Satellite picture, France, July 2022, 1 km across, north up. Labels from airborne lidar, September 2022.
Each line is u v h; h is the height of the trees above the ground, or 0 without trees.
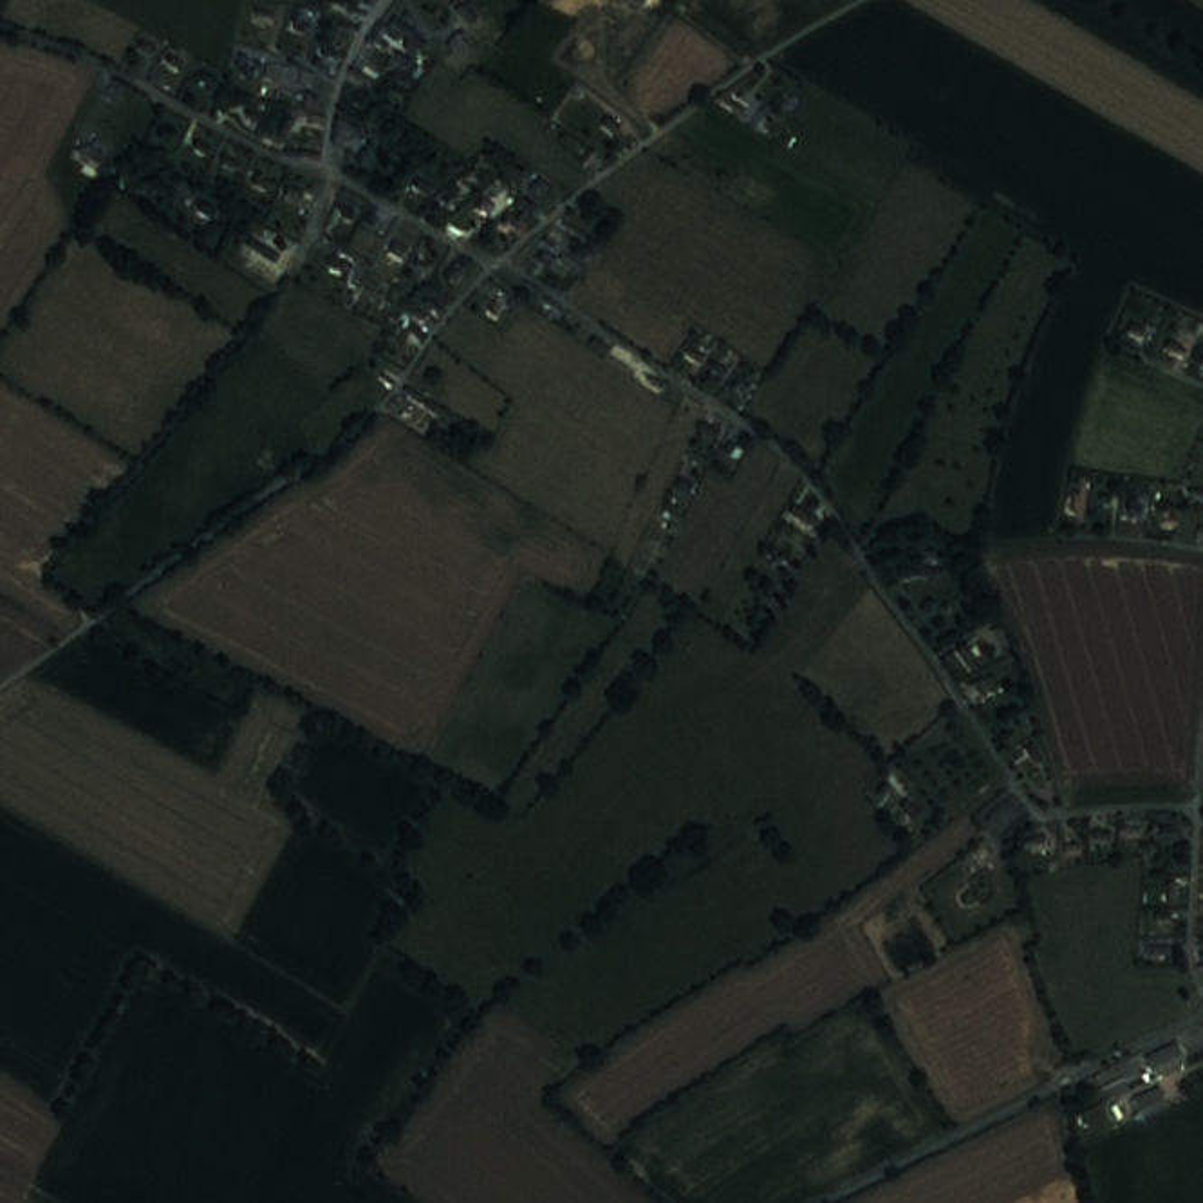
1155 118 0
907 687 0
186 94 7
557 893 0
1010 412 16
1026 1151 0
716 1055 0
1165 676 0
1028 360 7
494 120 0
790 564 5
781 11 0
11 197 0
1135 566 0
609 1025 0
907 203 0
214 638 0
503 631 0
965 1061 0
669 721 0
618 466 0
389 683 0
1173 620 0
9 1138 0
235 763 0
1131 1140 0
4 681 0
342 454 14
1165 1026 0
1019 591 0
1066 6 0
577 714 0
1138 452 0
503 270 0
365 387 0
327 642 0
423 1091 18
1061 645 0
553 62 0
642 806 0
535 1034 0
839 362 0
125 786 0
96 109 0
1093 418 0
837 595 0
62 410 7
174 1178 0
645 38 0
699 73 0
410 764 12
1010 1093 0
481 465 0
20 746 0
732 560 0
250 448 0
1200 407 0
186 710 0
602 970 0
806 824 0
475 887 0
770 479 0
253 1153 0
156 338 0
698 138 0
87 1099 0
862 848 0
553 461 0
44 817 0
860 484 0
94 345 0
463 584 0
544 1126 0
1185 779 0
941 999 0
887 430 0
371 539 0
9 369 0
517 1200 0
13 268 0
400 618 0
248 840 0
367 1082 0
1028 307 0
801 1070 0
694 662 0
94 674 0
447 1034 0
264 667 0
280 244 11
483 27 0
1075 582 0
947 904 0
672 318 0
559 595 8
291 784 19
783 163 0
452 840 0
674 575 0
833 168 0
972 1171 0
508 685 0
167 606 0
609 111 0
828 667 0
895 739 0
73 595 13
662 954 0
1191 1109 0
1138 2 0
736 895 0
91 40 0
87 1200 0
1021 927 0
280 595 0
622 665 0
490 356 0
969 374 0
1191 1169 0
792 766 0
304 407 0
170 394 0
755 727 0
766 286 0
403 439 0
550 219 0
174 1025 0
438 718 0
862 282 0
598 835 0
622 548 0
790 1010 0
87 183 0
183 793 0
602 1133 0
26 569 0
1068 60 0
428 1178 0
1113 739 0
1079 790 0
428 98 0
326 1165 0
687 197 0
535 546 0
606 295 0
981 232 0
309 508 0
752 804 0
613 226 11
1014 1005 0
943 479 0
